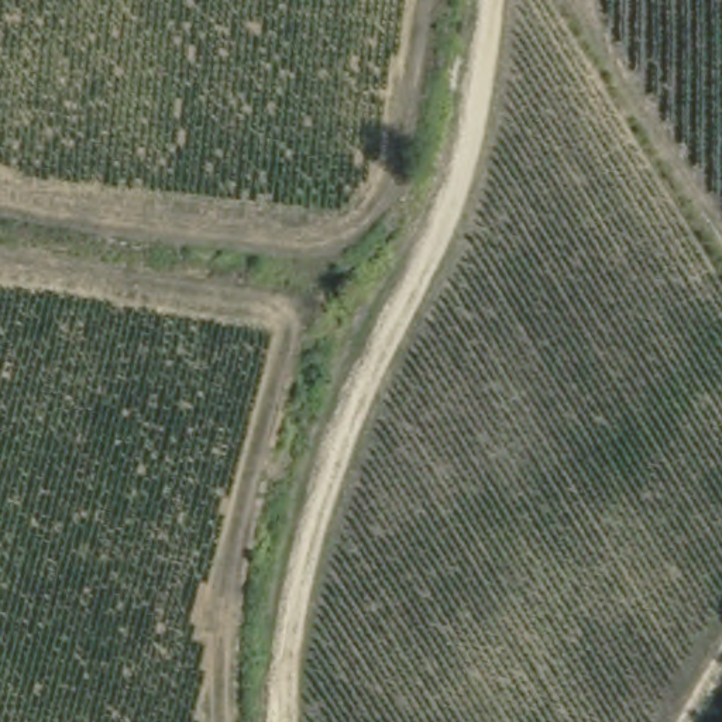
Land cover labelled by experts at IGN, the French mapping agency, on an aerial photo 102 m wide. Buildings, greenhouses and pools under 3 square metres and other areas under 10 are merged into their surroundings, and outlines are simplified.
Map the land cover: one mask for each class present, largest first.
<instances>
[{"label":"vineyard","instance_id":"1","mask_svg":"<svg viewBox=\"0 0 722 722\"><path fill-rule=\"evenodd\" d=\"M403 0H0V164L23 172L25 178H59L71 183L99 181L107 186H135L141 181L147 189L158 192H189L226 200L243 195H271L274 203L288 206L344 209L375 164L361 149V124L384 121L381 87L389 76V59L398 54ZM722 637V0H505L482 152L468 186L463 214L426 288V296L372 398L369 415L358 432L324 533L302 643L299 722H674L683 699L688 697V691L694 688L708 663L711 646ZM268 330L217 324L206 319H183L155 310L113 307L110 302L62 296L51 290L0 288V722H195L197 691L203 683V643L195 640L192 609L197 587L209 578L223 525L220 499L214 494L217 488H231L234 479V468L248 426V412L265 364Z\"/></svg>","mask_w":722,"mask_h":722},{"label":"herbaceous vegetation","instance_id":"2","mask_svg":"<svg viewBox=\"0 0 722 722\"><path fill-rule=\"evenodd\" d=\"M454 0H403L398 54L389 59V76L381 87L384 121L361 124V149L375 164L344 209L288 206L274 203L271 195H243L226 200L189 192H158L147 189L141 181L135 186H107L99 181L71 183L59 178H25L23 172L0 164V288L51 290L62 296L110 302L113 307L155 310L183 319H206L217 324L268 330L265 364L248 412V426L234 468V479L231 488H217L214 494L220 499L223 525L209 578L197 587L192 609L195 640L203 643V683L197 691L195 722H243L248 668L237 663V629L240 612H251V584L257 570L254 556L259 547V513L265 505V491L271 479H279V485H285V491L293 496L290 522L299 527L313 479L319 474V454L313 451L310 460H290V454L282 451V446L276 443L285 417L288 389L293 384V375L299 372L296 364L302 347L316 344L319 338H333V355L327 367V375H333L330 406L322 423H316V429L310 432L313 446L322 451L336 409L344 398V386L369 347L375 322L386 302L395 296L415 257L417 243L429 228L434 200L446 186L451 169V155L460 133V110L446 113L448 141L437 144L432 178H409L406 161L412 141L423 130L429 90L440 76L443 56L437 28L451 14ZM378 223L392 228L403 243L392 271L384 276L372 299L347 327L341 324L344 293L338 299L327 296L319 276L327 271L330 262L336 265V271H350L353 265L347 254ZM471 51L465 48L463 56H454L448 68V87L454 90V104L460 110L463 93L468 87Z\"/></svg>","mask_w":722,"mask_h":722},{"label":"pervious surface","instance_id":"3","mask_svg":"<svg viewBox=\"0 0 722 722\"><path fill-rule=\"evenodd\" d=\"M505 0H479L471 51L468 87L463 93L460 110V133L451 155V169L446 186L434 200L429 228L417 243L415 257L395 296L386 302L375 322L369 347L344 386V398L336 409L322 451L319 454V474L313 479L299 527L274 640L265 722H299L302 643L324 533L358 432L369 415L372 398L426 296V288L463 214L468 186L482 152ZM722 677V637L711 646L708 663L694 688L688 691V697L683 699L674 722H694V711H699L702 699L714 694Z\"/></svg>","mask_w":722,"mask_h":722},{"label":"brushwood","instance_id":"4","mask_svg":"<svg viewBox=\"0 0 722 722\"><path fill-rule=\"evenodd\" d=\"M479 0H454L451 14L437 28L443 56L440 76L429 90L423 130L412 141L406 161L409 178H432L437 144L448 141L446 113L460 110L454 104V90L448 87V68L454 56H463L465 48L471 51ZM403 243L392 228L378 223L347 254L353 265L350 271H336V265L330 262L327 271L319 276L327 296L338 299L344 293L341 324L347 327L372 299L384 276L392 271ZM333 355V338H319L316 344L302 347L296 364L299 372L293 375V384L288 389L285 417L276 443L282 446V451L290 454V460H310L313 451L319 454L322 451L313 446L310 432L316 429V423H322L330 406L333 375H327V367ZM293 496L285 491V485H279V479H271L265 491V505L259 513V547L254 556L257 570L251 584V612H240L237 629V663L248 668L243 722H265L274 640L299 527L290 522Z\"/></svg>","mask_w":722,"mask_h":722},{"label":"coniferous trees","instance_id":"5","mask_svg":"<svg viewBox=\"0 0 722 722\"><path fill-rule=\"evenodd\" d=\"M694 722H722V677L714 694L702 699L699 711H694Z\"/></svg>","mask_w":722,"mask_h":722}]
</instances>
